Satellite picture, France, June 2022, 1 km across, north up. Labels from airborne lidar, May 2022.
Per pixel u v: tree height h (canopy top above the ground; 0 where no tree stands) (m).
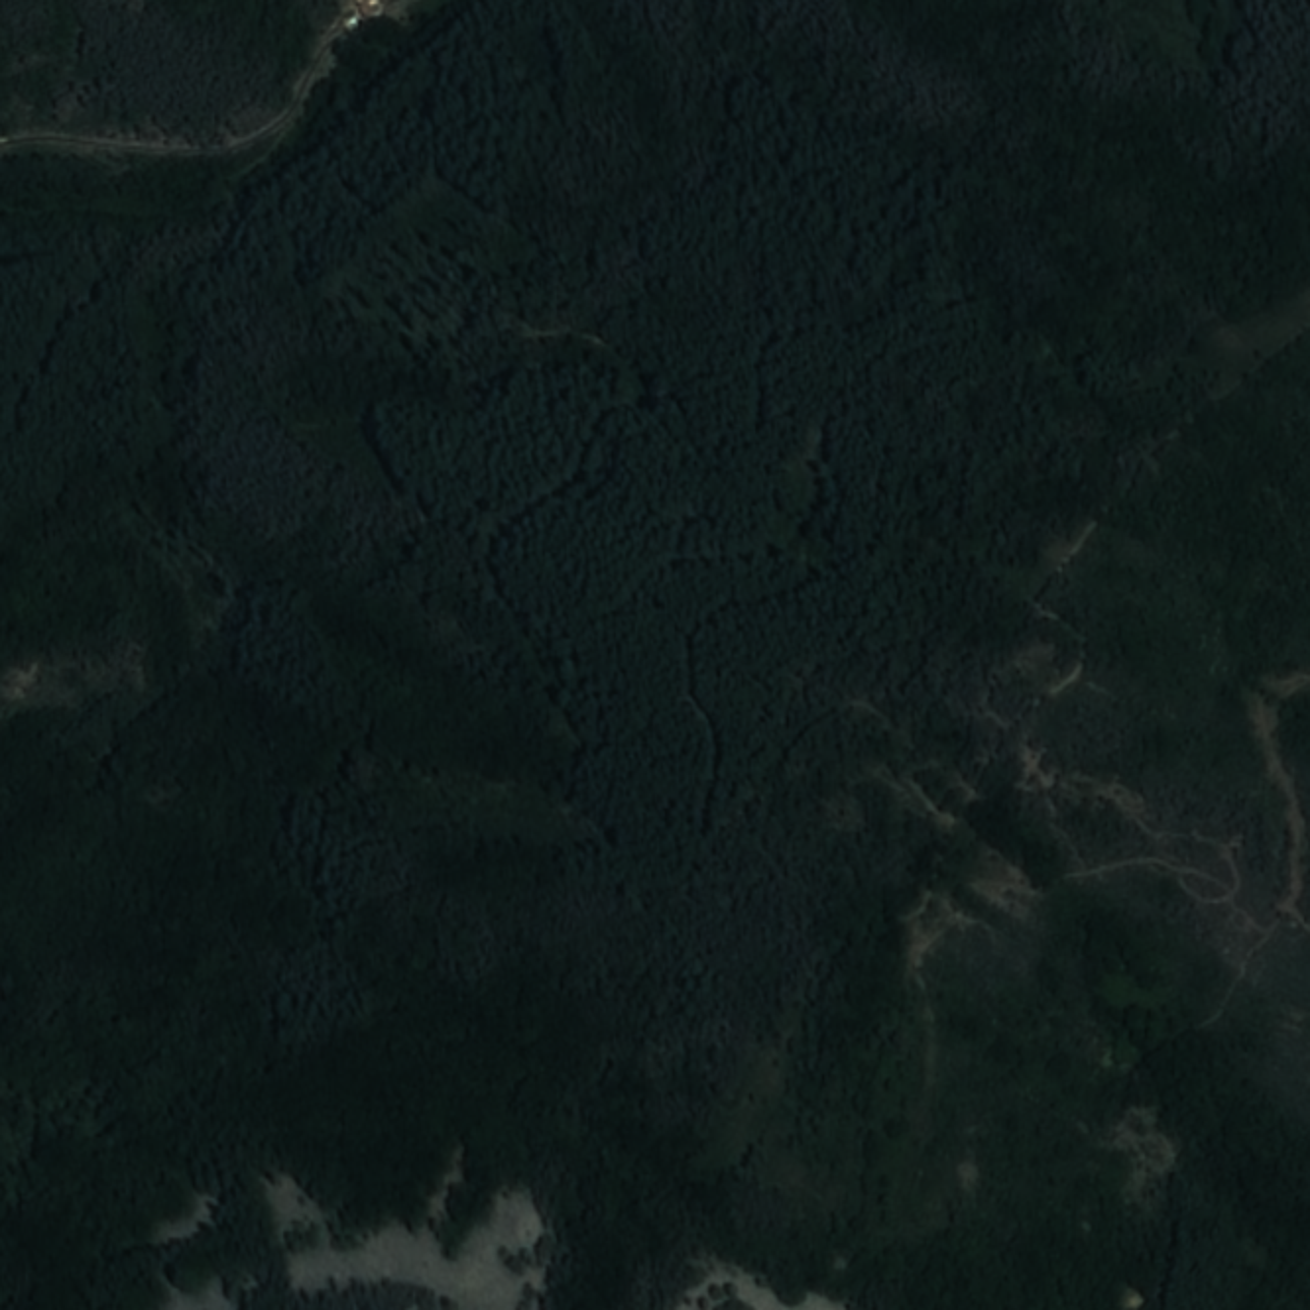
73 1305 17
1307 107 15
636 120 22
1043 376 21
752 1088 0
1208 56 15
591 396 37
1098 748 9
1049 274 13
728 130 17
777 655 25
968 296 23
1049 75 13
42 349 32
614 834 18
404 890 11
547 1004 18
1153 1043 9
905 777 9
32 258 24
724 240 35
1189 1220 25
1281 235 13
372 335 25
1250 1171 17
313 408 20
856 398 20
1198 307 8
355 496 15
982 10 15
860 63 16
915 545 17
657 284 15
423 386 31
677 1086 11
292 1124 20
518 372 20
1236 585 8
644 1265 18
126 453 39
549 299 14
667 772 28
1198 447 6
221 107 21
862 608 26
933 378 27
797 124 40
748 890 17
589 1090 20
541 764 20
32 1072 15
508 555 31
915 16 21
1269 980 0
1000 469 18
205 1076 18
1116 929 8
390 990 16
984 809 9
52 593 22
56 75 11
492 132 33
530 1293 9
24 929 23
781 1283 11
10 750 19
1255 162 13
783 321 28
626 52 17
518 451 42
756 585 27
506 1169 15
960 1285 7
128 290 23
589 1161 16
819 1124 6
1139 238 7
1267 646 6
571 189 21
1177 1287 26
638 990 12
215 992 23
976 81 10
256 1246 16
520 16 46
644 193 20
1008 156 10
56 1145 18
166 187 11
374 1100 23
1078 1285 9
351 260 35
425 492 37
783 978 9
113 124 11
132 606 22
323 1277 0
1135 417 7
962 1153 0
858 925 11
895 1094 13
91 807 20
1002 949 0
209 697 40
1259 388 9
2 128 10
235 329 23
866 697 9
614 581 37
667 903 24
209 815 18
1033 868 11
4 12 21
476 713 27
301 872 25
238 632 28
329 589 25
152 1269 23
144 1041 15
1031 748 8
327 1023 38
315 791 22
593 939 16
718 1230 15
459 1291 0
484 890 19
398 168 33
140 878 24
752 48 20
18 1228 19
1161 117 14
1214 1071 10
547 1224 10
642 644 28
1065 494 15
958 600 10
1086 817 6
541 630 26
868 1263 11
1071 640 9
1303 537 7
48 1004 23
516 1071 16
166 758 20
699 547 34
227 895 25
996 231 17
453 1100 16
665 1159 18
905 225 24
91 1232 19
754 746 25
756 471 37
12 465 35
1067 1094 7
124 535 29
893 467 29
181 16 17
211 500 18
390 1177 16
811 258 36
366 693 15
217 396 24
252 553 29
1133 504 7
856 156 37
